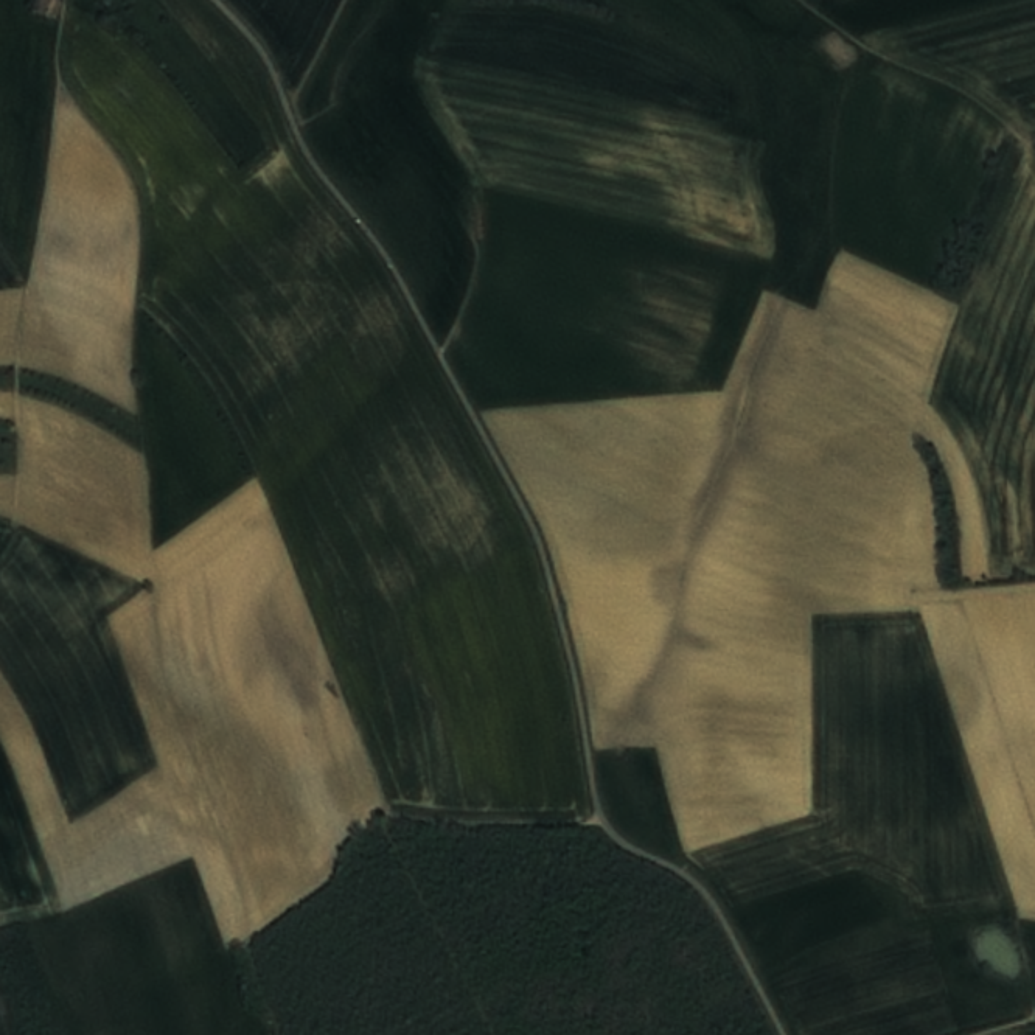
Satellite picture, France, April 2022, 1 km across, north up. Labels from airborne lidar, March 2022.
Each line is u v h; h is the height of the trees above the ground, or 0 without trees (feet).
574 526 0
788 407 0
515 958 49
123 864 0
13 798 0
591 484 0
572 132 0
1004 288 0
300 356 0
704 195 0
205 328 0
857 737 0
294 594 0
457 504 0
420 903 42
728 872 0
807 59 0
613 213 0
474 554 0
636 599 0
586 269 0
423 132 0
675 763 0
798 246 0
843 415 0
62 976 0
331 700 0
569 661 0
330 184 0
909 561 0
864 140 0
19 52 0
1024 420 0
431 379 0
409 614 0
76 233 0
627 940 55
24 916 0
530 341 0
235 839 0
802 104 0
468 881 46
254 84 0
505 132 0
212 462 0
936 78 0
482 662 0
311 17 0
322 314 0
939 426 0
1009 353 0
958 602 0
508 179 0
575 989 55
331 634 0
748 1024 38
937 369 0
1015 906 0
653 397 0
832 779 0
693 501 0
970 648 0
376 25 0
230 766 0
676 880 38
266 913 0
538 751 0
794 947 0
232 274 0
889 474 0
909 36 0
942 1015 0
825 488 0
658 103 0
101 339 0
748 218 0
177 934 0
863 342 0
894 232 0
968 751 0
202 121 0
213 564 0
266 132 0
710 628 0
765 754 0
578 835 41
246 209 0
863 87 0
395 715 0
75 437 0
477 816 0
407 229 0
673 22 0
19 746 0
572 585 0
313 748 0
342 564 0
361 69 0
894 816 0
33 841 0
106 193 0
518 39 0
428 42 0
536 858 42
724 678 0
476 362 0
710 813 0
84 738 0
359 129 0
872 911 0
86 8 0
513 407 0
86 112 0
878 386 0
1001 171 45
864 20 0
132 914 0
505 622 0
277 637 0
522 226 0
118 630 0
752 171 0
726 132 0
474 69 0
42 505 0
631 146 0
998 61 0
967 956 0
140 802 0
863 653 0
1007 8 0
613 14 47
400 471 0
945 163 0
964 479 0
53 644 0
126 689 0
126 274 0
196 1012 0
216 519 0
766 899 0
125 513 0
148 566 0
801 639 0
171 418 0
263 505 0
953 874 0
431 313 0
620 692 0
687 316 0
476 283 0
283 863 0
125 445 0
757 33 0
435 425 0
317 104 0
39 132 0
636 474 0
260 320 0
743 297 0
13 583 0
